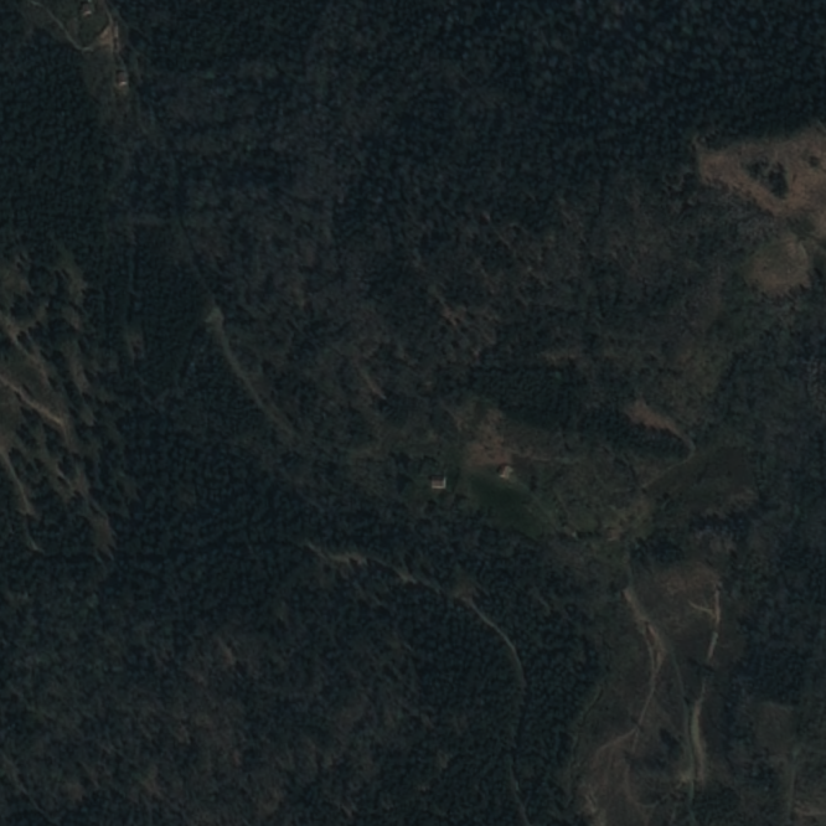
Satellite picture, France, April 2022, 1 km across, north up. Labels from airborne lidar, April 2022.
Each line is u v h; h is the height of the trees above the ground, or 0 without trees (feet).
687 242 78
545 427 58
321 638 116
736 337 40
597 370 73
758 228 101
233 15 58
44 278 99
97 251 77
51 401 0
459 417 104
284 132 105
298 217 95
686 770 0
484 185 80
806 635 72
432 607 76
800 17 20
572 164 96
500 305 69
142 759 87
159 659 61
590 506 24
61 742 100
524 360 79
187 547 96
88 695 85
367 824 77
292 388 37
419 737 81
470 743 73
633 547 79
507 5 54
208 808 93
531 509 0
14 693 90
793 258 0
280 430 58
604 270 96
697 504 0
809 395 85
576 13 68
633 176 59
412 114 70
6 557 87
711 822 23
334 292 89
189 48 87
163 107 99
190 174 68
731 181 0
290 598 106
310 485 90
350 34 96
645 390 79
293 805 74
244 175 45
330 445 80
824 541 87
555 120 109
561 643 84
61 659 86
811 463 93
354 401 22
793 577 88
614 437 89
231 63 56
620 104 76
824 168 0
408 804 84
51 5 31
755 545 107
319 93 88
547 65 67
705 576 0
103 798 77
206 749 93
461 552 94
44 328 0
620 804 0
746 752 75
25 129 84
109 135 33
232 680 97
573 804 20
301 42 49
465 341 75
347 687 115
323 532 88
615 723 0
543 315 93
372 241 59
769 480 22
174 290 61
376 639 98
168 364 69
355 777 86
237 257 51
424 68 80
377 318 86
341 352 93
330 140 94
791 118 62
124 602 83
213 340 48
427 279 55
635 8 86
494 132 74
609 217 77
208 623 79
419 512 66
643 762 0
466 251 50
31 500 81
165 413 102
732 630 0
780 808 27
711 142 25
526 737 87
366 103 70
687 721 0
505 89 90
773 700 78
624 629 21
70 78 110
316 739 115
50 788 90
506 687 64
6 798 75
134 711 85
